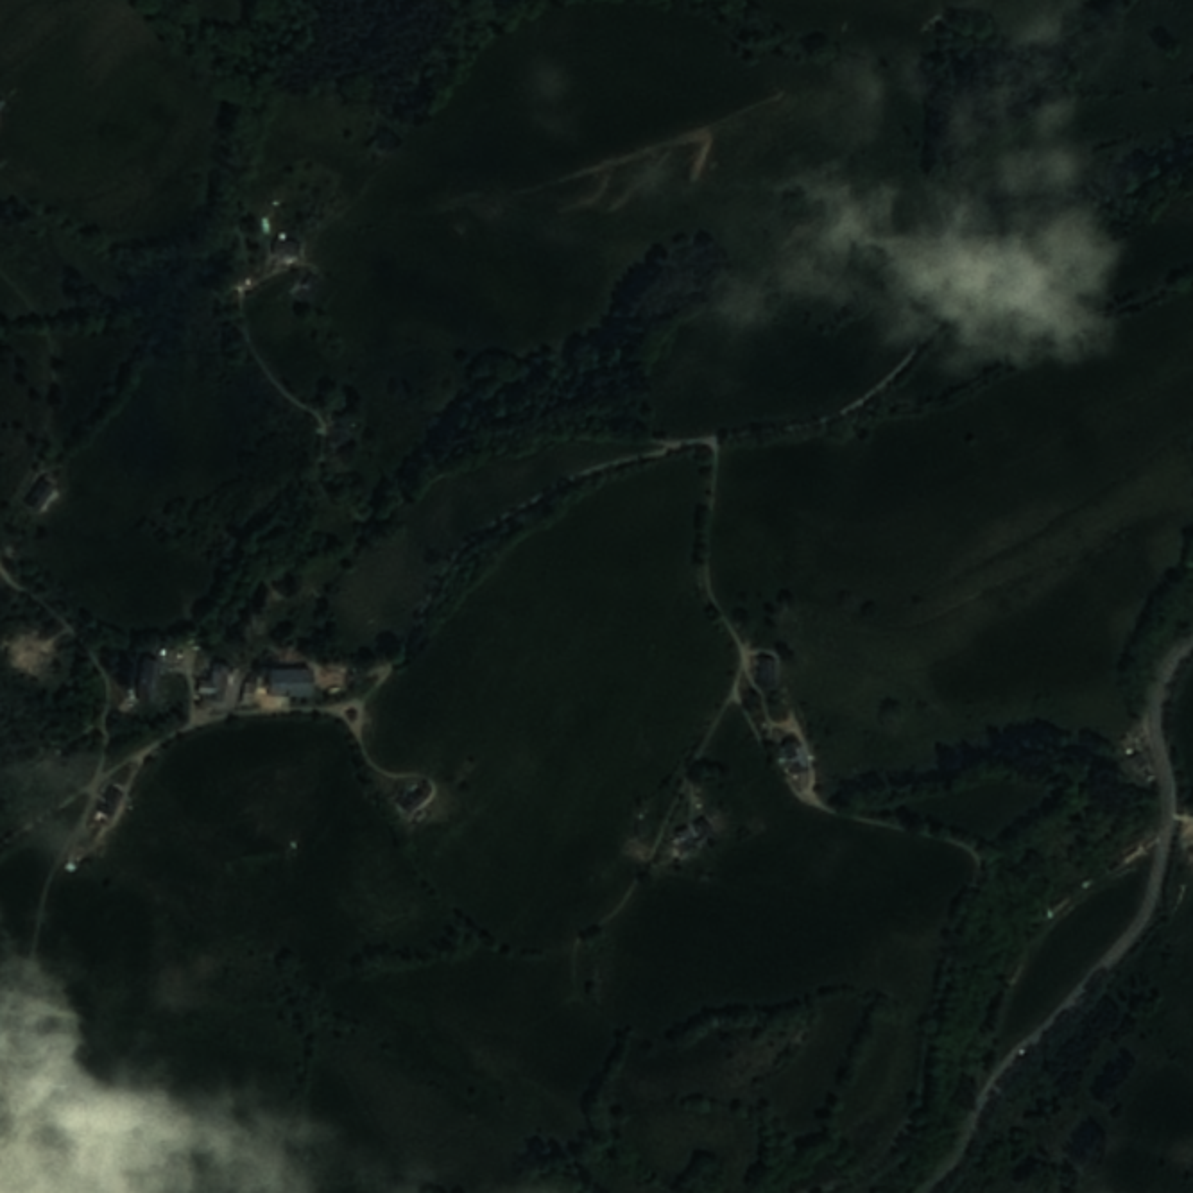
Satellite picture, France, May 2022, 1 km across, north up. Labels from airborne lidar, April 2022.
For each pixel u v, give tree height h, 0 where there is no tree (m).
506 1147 0
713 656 0
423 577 0
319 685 0
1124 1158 0
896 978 0
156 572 0
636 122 0
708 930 0
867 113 0
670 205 0
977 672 0
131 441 0
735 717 0
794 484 0
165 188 0
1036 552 0
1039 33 0
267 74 24
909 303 0
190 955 0
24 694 9
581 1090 0
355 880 0
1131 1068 15
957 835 11
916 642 0
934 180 10
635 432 16
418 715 0
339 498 15
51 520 0
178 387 0
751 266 0
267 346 0
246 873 0
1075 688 0
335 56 33
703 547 14
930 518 0
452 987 0
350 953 0
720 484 0
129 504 0
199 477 0
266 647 0
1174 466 0
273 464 6
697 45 0
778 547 0
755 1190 14
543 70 0
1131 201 21
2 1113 0
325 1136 0
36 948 0
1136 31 0
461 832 0
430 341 0
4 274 0
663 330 24
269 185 0
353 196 0
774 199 0
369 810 0
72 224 12
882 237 0
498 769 0
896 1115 0
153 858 0
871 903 0
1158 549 0
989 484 0
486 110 0
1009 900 14
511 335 0
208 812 0
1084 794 26
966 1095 21
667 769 0
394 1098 0
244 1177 0
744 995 0
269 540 20
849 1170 13
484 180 0
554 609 0
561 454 0
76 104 0
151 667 0
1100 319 8
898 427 0
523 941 0
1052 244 16
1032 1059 15
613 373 25
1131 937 0
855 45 0
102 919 0
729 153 0
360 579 0
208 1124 0
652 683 0
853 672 0
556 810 0
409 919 0
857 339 0
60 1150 0
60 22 0
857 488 0
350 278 0
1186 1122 0
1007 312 0
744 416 0
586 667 0
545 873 0
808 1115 0
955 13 12
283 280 0
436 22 30
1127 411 0
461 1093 0
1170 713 12
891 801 14
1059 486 0
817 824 0
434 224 0
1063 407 0
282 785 0
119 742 11
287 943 0
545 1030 0
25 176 0
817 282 0
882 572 0
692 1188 16
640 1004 0
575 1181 29
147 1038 0
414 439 0
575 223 0
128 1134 0
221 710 0
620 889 0
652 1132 0
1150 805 10
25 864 0
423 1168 0
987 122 30
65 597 13
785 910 0
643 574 0
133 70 0
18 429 12
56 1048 0
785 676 0
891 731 12
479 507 0
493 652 0
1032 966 0
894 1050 0
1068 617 0
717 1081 0
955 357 0
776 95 0
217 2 0
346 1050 0
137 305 14
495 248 0
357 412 18
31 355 0
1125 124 0
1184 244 0
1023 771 23
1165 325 0
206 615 19
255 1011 0
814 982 0
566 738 0
